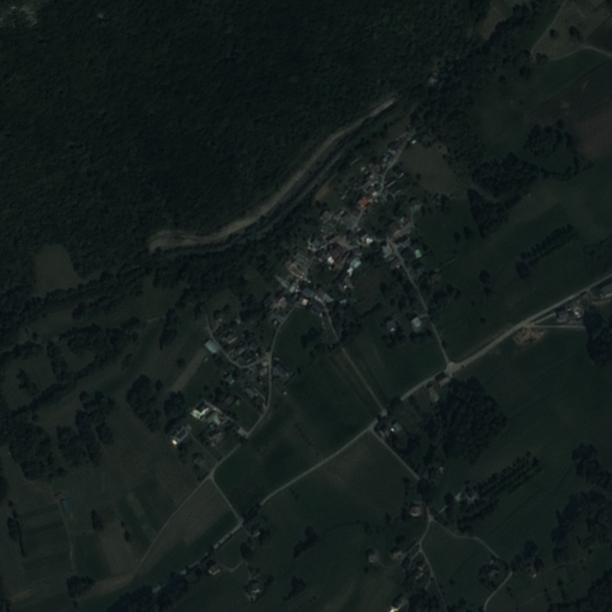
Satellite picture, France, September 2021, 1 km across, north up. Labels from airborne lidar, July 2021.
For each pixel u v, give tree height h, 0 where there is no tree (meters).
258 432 0
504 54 8
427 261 0
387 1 21
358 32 19
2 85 26
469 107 11
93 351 12
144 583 0
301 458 0
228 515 0
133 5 16
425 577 6
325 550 0
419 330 0
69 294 9
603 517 18
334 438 0
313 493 0
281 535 0
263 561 0
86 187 15
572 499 0
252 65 21
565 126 15
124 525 7
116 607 0
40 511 0
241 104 20
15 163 24
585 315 0
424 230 0
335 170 9
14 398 0
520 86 0
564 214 0
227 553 0
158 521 0
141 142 11
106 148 14
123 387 0
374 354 0
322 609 0
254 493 0
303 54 20
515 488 10
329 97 18
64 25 24
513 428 0
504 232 0
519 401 0
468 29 12
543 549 0
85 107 9
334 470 0
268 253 10
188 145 28
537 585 0
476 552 0
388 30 15
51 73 17
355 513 0
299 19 18
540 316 0
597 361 22
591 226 0
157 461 0
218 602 0
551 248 12
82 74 22
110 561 0
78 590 17
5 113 24
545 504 0
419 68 7
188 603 0
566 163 0
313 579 0
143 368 0
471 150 12
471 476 0
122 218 14
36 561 0
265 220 11
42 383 0
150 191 16
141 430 0
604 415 0
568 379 0
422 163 0
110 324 0
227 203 17
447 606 0
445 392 0
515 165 22
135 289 11
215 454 0
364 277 0
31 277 16
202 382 0
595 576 0
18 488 0
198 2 15
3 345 18
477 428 22
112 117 8
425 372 0
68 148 17
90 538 0
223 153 17
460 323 0
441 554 0
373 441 0
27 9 9
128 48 20
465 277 0
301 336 0
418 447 13
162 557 0
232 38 17
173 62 13
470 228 0
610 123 0
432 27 14
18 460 12
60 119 21
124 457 0
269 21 22
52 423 0
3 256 23
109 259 15
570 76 0
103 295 16
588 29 0
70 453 17
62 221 22
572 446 0
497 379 0
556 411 0
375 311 6
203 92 21
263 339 7
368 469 0
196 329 0
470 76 25
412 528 0
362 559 0
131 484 0
